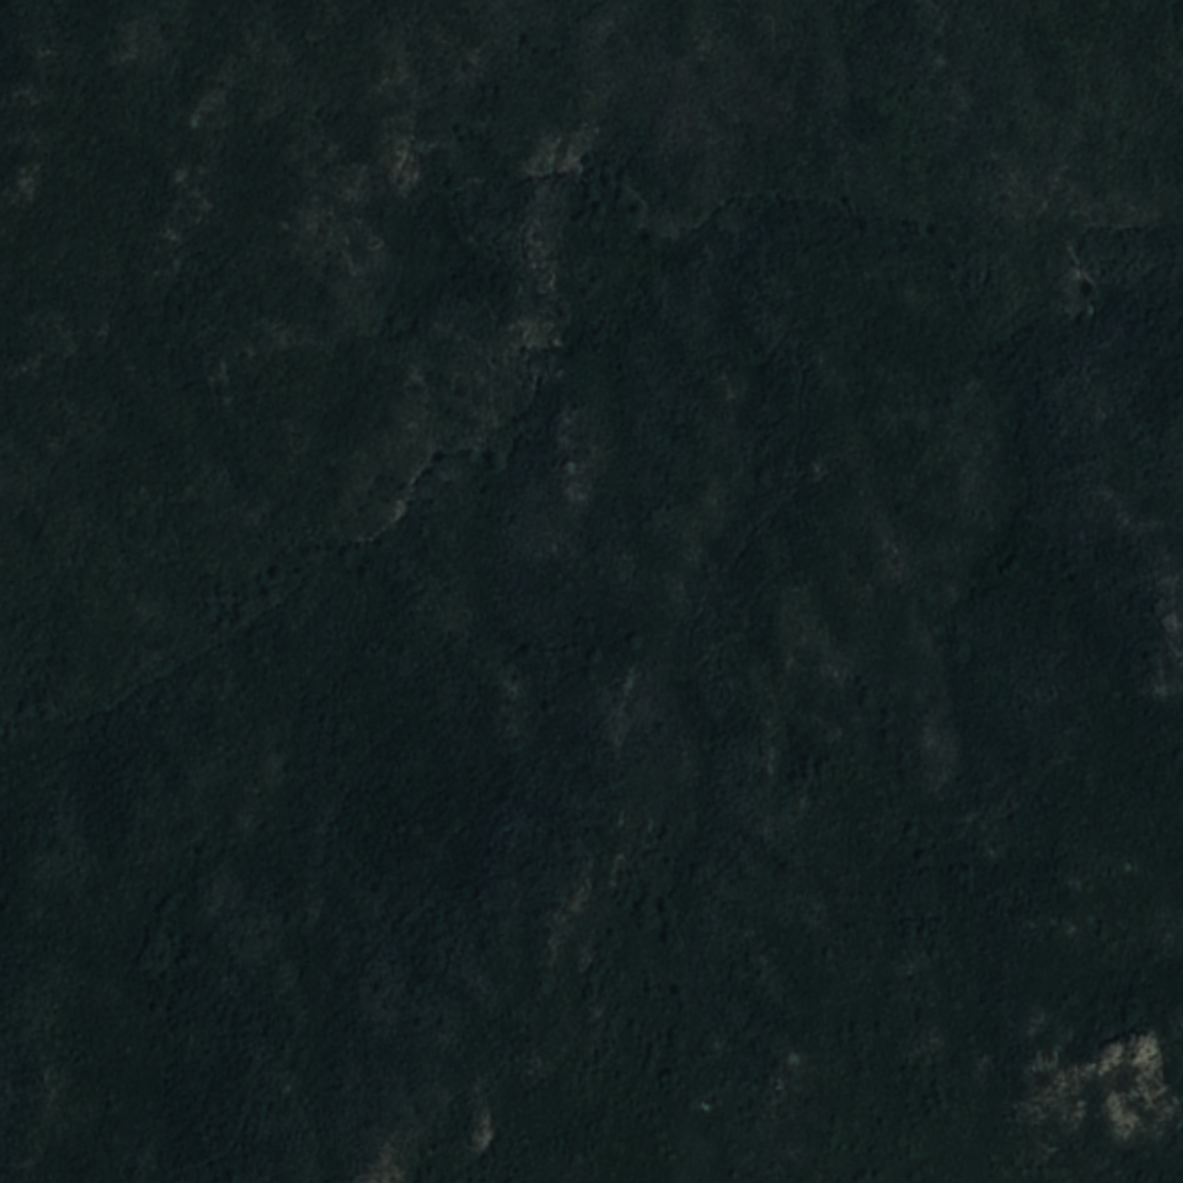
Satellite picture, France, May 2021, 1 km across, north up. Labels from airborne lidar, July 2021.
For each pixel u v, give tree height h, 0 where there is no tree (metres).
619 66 8
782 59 9
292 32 9
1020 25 7
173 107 6
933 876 12
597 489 5
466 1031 8
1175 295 8
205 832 6
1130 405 6
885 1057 8
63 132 11
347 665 9
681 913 7
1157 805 8
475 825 7
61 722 10
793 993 6
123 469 8
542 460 8
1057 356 6
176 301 12
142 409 7
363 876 6
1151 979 8
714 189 7
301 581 7
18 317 8
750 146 10
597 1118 8
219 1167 6
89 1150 8
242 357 7
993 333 6
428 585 5
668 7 8
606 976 10
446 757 9
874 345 7
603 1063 14
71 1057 9
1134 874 5
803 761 9
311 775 8
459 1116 9
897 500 8
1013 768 6
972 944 8
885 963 6
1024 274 6
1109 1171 6
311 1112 7
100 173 7
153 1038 7
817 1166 7
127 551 9
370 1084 6
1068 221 8
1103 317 7
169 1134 8
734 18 8
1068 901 8
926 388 8
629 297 18
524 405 11
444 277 6
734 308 7
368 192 7
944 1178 6
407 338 11
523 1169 9
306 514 6
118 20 6
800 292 7
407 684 8
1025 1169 8
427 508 6
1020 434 10
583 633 7
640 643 14
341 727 13
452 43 7
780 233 12
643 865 15
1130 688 8
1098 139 6
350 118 10
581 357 6
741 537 6
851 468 7
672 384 6
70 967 6
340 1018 7
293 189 9
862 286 7
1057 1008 8
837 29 5
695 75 6
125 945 8
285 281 11
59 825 6
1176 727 7
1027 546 8
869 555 9
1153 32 9
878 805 6
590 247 7
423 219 14
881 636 7
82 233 8
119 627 6
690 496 6
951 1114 7
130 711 7
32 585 9
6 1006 7
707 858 6
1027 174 6
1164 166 7
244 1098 5
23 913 6
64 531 8
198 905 6
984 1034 6
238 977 7
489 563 6
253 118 7
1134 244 7
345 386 8
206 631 11
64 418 8
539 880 6
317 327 8
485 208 9
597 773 6
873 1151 12
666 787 6
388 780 7
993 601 7
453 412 11
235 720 6
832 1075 6
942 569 7
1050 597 6
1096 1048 7
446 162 12
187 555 9
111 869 6
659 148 8
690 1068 6
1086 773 7
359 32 7
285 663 10
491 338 6
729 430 8
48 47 7
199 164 6
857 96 8
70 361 9
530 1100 12
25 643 11
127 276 8
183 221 7
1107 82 11
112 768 8
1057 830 6
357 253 6
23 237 10
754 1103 6
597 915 7
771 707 6
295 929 6
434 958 6
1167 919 6
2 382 6
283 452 7
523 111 8
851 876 13
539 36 8
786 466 7
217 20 6
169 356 8
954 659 9
